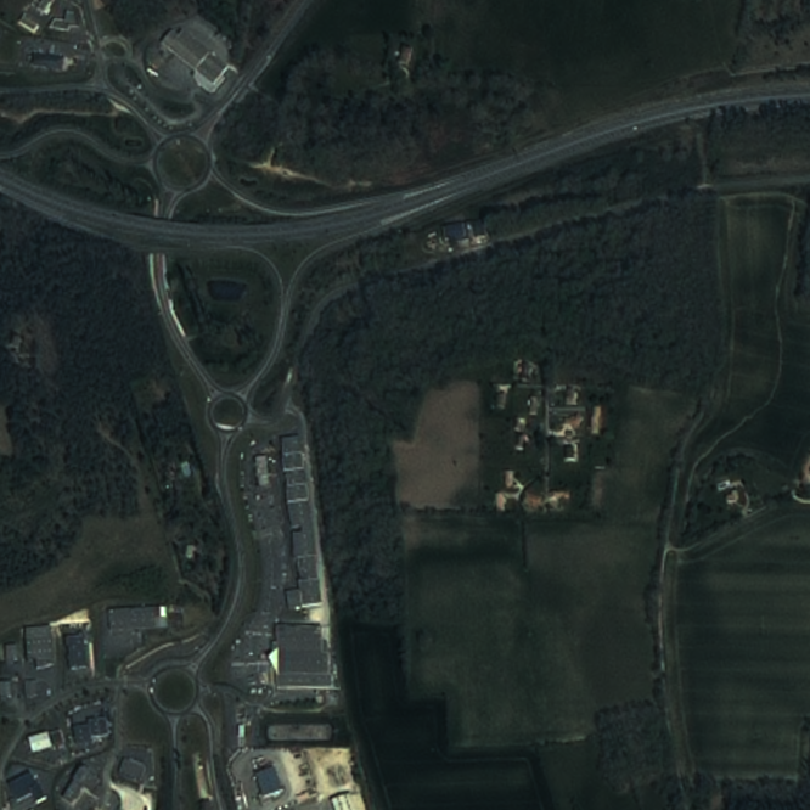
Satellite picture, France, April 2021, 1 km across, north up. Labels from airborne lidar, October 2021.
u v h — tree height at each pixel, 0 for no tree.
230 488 0
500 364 20
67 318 12
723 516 7
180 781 0
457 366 18
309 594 0
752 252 0
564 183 20
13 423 19
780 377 0
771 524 0
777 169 0
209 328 19
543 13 0
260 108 6
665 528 13
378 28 0
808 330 0
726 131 22
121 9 18
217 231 0
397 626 6
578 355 18
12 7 0
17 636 0
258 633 0
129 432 16
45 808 0
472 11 0
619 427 0
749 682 0
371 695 0
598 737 11
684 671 0
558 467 0
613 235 20
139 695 0
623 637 0
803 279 9
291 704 7
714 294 17
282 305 0
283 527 0
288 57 0
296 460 0
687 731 0
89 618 0
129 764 0
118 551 0
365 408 31
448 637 0
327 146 21
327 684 0
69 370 18
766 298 0
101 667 0
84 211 0
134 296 12
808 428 0
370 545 27
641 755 21
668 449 0
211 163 0
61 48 0
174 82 0
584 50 0
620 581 0
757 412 0
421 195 0
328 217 0
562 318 30
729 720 0
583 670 0
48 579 0
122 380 16
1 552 12
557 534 0
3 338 21
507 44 0
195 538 10
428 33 13
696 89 0
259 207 0
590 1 0
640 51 0
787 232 0
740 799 11
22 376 20
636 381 17
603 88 0
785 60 0
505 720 0
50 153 12
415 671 0
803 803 18
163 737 0
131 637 0
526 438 0
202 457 21
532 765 0
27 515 7
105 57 0
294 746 7
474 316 24
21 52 0
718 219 15
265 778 0
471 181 0
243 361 12
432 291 20
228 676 0
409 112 17
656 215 21
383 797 0
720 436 0
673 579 0
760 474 0
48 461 14
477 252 0
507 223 22
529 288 26
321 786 0
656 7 0
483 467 0
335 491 26
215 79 0
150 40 0
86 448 13
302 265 0
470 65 0
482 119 11
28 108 21
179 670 0
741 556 0
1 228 21
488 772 0
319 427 12
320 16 0
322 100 0
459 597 0
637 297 22
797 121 26
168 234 0
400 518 18
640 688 0
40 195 0
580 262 16
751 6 18
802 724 0
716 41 0
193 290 27
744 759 0
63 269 12
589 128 0
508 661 0
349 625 0
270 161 6
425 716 0
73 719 0
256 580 0
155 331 12
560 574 0
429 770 0
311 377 23
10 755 0
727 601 0
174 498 6
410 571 0
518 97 21
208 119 0
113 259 11
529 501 0
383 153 21
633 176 12
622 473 0
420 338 23
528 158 0
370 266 15
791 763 0
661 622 19
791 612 0
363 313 11
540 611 0
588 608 0
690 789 18
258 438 0
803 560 0
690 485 0
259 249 0
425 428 0
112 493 11
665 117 0
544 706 0
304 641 0
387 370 21
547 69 0
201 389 0
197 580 10
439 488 0
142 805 0
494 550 0
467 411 0
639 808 6
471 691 0
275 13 12
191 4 17
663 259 20
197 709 0
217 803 0
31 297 7
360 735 0
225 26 6
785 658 0
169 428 21
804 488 7
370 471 28
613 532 0
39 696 0
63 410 18
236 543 0
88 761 0
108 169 0
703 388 15
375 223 0
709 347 20
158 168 0
